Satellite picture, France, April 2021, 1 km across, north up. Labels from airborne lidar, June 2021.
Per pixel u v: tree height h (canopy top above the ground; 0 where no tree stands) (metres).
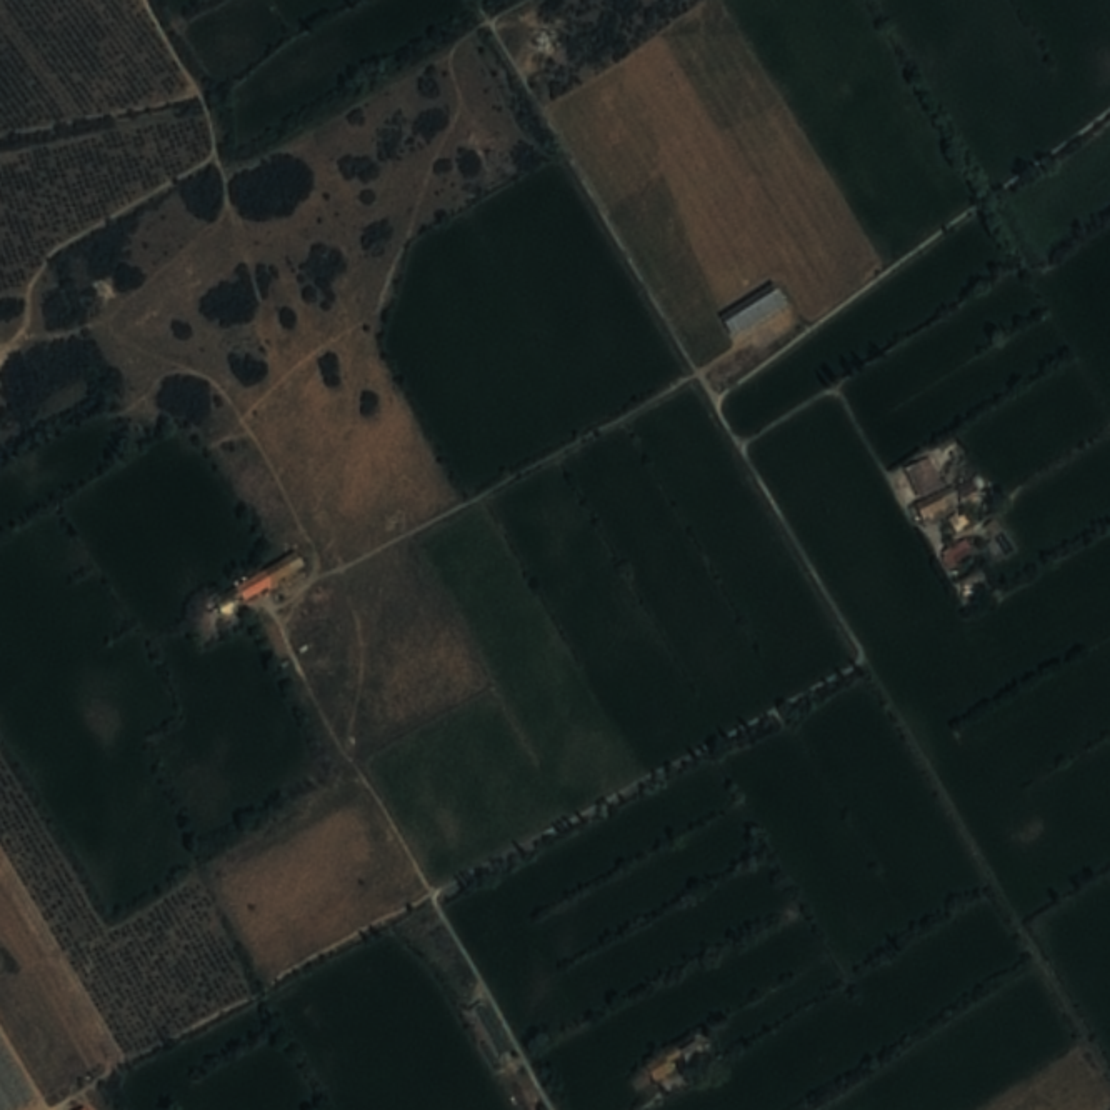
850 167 0
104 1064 0
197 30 0
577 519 0
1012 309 0
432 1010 0
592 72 0
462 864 0
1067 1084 0
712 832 0
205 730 0
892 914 0
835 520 0
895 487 0
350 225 0
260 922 0
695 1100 0
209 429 0
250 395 0
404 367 0
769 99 0
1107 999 0
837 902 0
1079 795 0
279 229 0
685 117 0
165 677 7
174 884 9
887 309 0
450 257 0
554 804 0
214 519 0
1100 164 0
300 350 0
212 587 7
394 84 0
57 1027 0
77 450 0
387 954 0
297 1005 0
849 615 0
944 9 0
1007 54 0
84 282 0
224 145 8
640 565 0
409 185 0
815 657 0
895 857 0
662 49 0
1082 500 0
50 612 0
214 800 0
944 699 0
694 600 0
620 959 0
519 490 0
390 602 0
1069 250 15
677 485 0
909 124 0
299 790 7
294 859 0
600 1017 7
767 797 0
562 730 0
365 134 0
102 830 0
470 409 0
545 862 0
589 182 0
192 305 0
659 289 0
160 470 0
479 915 0
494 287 0
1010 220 0
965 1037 0
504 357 0
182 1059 0
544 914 10
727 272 0
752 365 0
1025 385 12
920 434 0
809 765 0
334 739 0
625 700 0
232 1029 0
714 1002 0
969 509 10
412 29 0
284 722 0
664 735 0
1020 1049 0
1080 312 0
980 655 0
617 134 0
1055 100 0
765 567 0
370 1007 0
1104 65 0
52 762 0
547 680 0
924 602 0
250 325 0
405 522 0
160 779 8
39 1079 0
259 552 10
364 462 0
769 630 0
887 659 0
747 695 0
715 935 0
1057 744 0
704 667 0
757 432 0
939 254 0
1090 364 0
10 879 0
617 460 0
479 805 0
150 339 0
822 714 0
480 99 0
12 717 0
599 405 0
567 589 0
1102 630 0
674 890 0
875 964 8
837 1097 7
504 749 0
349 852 0
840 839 0
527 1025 0
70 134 7
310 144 0
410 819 0
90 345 8
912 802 0
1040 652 0
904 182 0
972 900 10
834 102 0
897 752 0
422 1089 0
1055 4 0
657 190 0
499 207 0
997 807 0
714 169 0
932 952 0
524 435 0
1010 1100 0
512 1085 0
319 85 0
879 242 0
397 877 0
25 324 0
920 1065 0
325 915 0
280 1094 0
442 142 0
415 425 0
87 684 0
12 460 13
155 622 0
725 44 0
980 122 0
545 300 0
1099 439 8
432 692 0
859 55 0
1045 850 0
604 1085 0
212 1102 0
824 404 0
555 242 0
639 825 0
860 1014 0
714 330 0
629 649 0
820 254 0
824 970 0
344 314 0
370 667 0
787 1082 0
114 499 0
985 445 0
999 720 0
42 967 0
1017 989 0
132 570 0
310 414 0
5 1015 0
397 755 0
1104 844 0
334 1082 0
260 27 0
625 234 0
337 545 0
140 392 0
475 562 0
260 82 0
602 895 0
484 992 0
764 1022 0
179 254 0
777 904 0
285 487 0
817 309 0
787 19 0
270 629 0
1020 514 0
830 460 0
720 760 9
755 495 0
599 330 0
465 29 5
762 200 0
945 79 0
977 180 16
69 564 0
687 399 0
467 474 0
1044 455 0
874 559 0
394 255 0
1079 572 0
